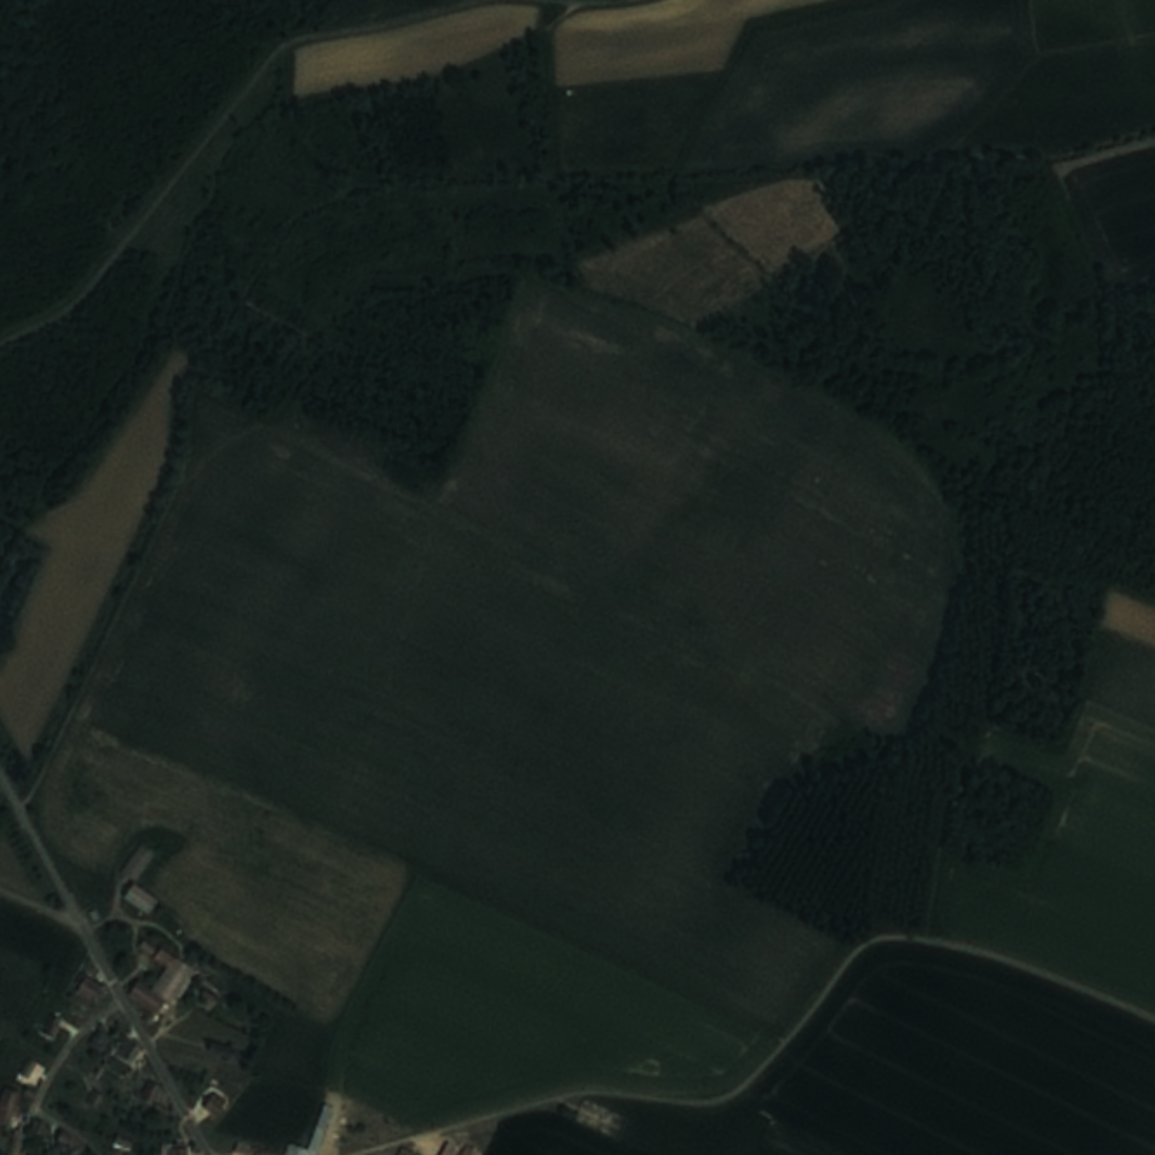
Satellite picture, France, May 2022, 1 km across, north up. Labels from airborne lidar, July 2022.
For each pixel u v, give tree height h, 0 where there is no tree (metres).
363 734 0
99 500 0
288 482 0
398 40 0
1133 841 0
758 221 0
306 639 0
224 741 0
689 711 0
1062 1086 0
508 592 0
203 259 10
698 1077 0
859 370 10
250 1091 0
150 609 0
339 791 0
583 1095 0
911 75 0
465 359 11
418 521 0
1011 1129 0
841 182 27
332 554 0
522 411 0
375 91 11
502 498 0
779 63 0
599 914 0
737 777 0
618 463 0
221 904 0
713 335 18
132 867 0
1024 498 11
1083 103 0
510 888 0
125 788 0
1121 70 0
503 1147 0
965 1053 0
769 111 0
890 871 25
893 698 0
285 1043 0
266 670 0
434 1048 0
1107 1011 0
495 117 0
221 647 0
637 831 0
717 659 0
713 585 0
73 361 14
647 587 0
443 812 0
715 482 0
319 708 0
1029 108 0
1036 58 0
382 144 20
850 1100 0
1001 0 0
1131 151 0
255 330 9
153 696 0
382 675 0
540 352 0
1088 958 0
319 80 0
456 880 0
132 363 10
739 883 16
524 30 0
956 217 28
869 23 0
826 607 0
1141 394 21
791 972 0
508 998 0
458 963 0
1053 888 0
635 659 0
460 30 0
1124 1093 0
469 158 0
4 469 19
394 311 9
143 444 0
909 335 0
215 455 0
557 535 0
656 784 0
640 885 0
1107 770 0
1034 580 20
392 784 0
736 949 0
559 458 0
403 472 8
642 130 0
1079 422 19
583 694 0
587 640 0
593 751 0
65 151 20
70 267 12
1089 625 18
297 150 6
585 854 0
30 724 0
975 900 0
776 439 0
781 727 0
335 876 0
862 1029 0
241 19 10
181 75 6
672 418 0
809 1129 0
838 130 0
